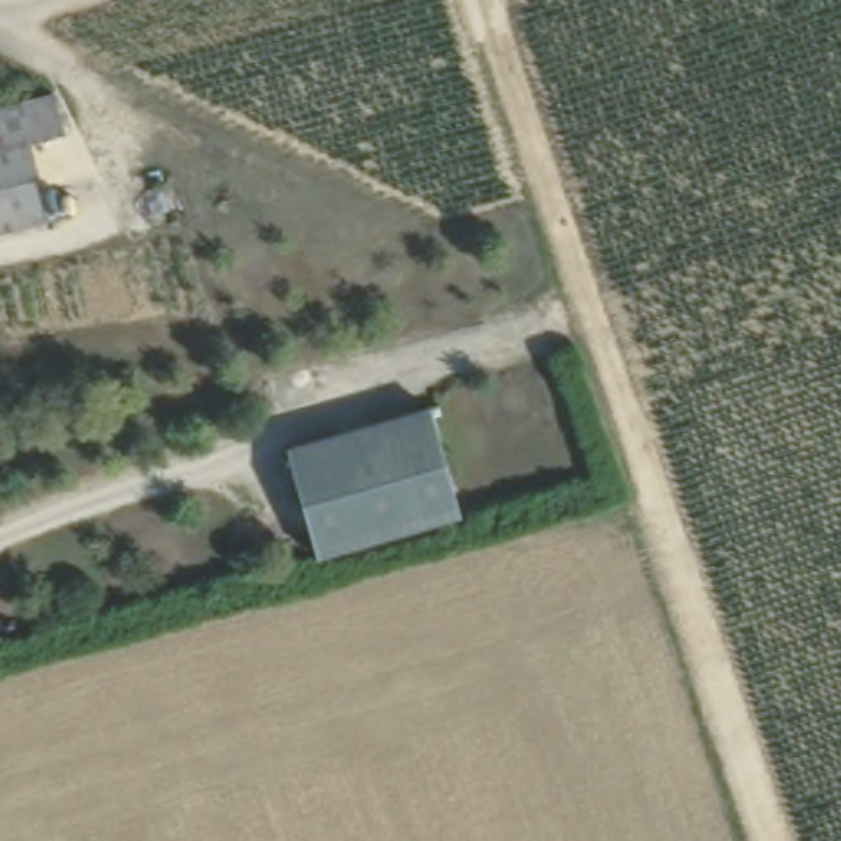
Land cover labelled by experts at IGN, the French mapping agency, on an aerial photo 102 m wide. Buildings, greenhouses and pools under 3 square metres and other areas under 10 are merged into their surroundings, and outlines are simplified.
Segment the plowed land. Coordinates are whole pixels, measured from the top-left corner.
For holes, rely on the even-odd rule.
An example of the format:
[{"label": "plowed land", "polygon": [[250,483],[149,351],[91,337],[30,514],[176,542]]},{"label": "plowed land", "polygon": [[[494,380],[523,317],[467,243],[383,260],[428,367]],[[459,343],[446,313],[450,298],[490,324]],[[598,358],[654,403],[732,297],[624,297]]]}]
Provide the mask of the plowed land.
[{"label": "plowed land", "polygon": [[562,526],[529,532],[499,545],[394,568],[388,575],[375,575],[319,598],[214,618],[184,631],[168,631],[138,644],[56,660],[0,680],[0,841],[733,841],[690,723],[687,700],[677,683],[667,641],[647,598],[634,549],[627,535],[618,532],[604,516],[568,519]]}]

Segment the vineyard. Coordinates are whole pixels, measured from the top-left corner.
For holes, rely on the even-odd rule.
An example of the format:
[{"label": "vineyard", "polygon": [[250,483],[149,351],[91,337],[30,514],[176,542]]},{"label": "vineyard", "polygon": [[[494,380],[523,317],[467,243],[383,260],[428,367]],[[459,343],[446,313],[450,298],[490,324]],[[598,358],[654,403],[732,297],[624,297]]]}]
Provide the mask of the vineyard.
[{"label": "vineyard", "polygon": [[723,637],[733,650],[733,664],[746,687],[746,703],[756,716],[779,798],[798,841],[841,841],[841,0],[506,0],[509,23],[516,36],[532,49],[535,69],[542,76],[545,108],[539,115],[545,138],[549,145],[562,145],[565,161],[581,187],[585,210],[575,217],[575,223],[585,253],[595,273],[608,276],[611,289],[621,292],[621,306],[634,322],[634,342],[647,348],[644,388],[650,401],[650,417],[660,430],[683,522],[690,529],[690,539],[696,542],[710,595],[719,608]]},{"label": "vineyard", "polygon": [[506,194],[509,187],[496,171],[476,92],[463,76],[457,36],[443,0],[102,0],[95,7],[72,10],[72,36],[82,46],[99,46],[118,59],[135,62],[151,76],[171,76],[184,89],[217,105],[230,105],[250,115],[253,122],[263,122],[342,161],[352,161],[365,174],[391,187],[421,194],[440,210],[440,217],[473,214],[473,204],[486,204]]}]

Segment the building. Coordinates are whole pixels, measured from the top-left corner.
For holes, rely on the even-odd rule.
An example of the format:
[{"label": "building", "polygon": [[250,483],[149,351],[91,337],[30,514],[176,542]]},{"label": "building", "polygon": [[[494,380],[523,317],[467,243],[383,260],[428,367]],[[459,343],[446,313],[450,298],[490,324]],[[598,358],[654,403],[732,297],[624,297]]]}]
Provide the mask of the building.
[{"label": "building", "polygon": [[457,480],[440,457],[430,411],[338,434],[319,443],[306,443],[289,450],[289,470],[315,562],[332,562],[358,549],[450,526],[460,516]]},{"label": "building", "polygon": [[43,181],[33,161],[33,148],[62,138],[62,118],[56,99],[49,95],[13,108],[0,108],[0,237],[56,227],[62,220],[62,210],[43,214],[36,187]]}]

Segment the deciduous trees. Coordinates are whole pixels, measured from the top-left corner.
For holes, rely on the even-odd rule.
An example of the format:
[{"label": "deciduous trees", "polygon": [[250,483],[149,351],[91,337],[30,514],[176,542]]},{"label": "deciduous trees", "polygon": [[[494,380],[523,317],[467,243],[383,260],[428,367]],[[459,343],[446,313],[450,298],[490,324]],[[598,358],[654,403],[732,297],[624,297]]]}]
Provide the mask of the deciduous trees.
[{"label": "deciduous trees", "polygon": [[26,568],[26,558],[13,549],[0,552],[0,641],[23,641],[36,631],[85,621],[102,611],[105,588],[92,585],[82,568],[56,562],[49,568]]},{"label": "deciduous trees", "polygon": [[161,581],[161,575],[151,568],[151,558],[158,552],[131,545],[115,572],[115,588],[148,591]]},{"label": "deciduous trees", "polygon": [[223,381],[223,368],[240,352],[256,355],[263,365],[273,365],[276,352],[296,335],[309,342],[309,348],[322,361],[325,355],[332,348],[335,332],[345,332],[348,325],[365,325],[375,315],[375,306],[384,299],[378,286],[345,283],[319,302],[306,302],[289,319],[263,319],[246,312],[227,315],[214,325],[197,319],[174,322],[164,348],[141,352],[145,371],[135,375],[128,388],[122,388],[118,381],[99,381],[89,388],[82,404],[56,398],[36,401],[30,394],[26,407],[0,414],[0,519],[16,506],[46,499],[49,493],[76,489],[85,476],[95,476],[95,470],[105,470],[108,480],[115,480],[128,466],[164,466],[174,453],[204,457],[223,437],[250,443],[266,430],[273,414],[266,394],[237,391],[237,407],[220,427],[207,424],[200,430],[164,434],[158,434],[148,404],[151,398],[164,394],[191,394],[194,384],[204,378]]},{"label": "deciduous trees", "polygon": [[256,585],[279,585],[299,562],[286,552],[269,552],[266,562],[246,575]]},{"label": "deciduous trees", "polygon": [[187,489],[184,506],[168,519],[181,526],[181,532],[207,529],[207,509],[191,489]]},{"label": "deciduous trees", "polygon": [[480,256],[489,273],[503,273],[512,263],[512,240],[503,237]]}]

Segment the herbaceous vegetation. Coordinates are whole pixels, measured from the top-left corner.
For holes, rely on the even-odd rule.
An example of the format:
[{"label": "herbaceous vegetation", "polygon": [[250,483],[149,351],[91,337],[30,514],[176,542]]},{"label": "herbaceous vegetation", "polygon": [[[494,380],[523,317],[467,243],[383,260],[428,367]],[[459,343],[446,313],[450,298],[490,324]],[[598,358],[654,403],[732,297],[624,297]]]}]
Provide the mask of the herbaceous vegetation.
[{"label": "herbaceous vegetation", "polygon": [[[151,483],[138,503],[49,529],[13,549],[26,558],[26,568],[49,568],[56,562],[82,568],[92,585],[105,588],[102,611],[112,614],[138,601],[161,601],[184,588],[197,588],[200,595],[207,595],[214,581],[227,575],[246,575],[266,562],[269,552],[286,552],[299,562],[315,562],[289,470],[289,450],[306,443],[319,443],[338,434],[430,411],[440,457],[457,480],[460,516],[473,519],[486,506],[591,480],[591,463],[581,447],[555,365],[532,365],[532,358],[526,355],[522,361],[486,368],[480,388],[457,388],[447,391],[440,401],[434,401],[427,391],[411,394],[401,384],[378,384],[325,404],[273,414],[266,430],[250,443],[256,470],[250,480],[230,480],[217,489],[191,489],[207,509],[207,529],[181,532],[181,526],[168,519],[184,506],[187,489],[168,480]],[[115,572],[131,545],[158,552],[151,558],[151,568],[161,575],[161,581],[148,591],[115,588]]]},{"label": "herbaceous vegetation", "polygon": [[220,427],[237,407],[237,391],[266,394],[273,365],[263,365],[256,355],[240,352],[223,368],[223,381],[204,378],[194,384],[191,394],[164,394],[151,398],[148,404],[158,434],[164,434],[200,430],[207,424]]},{"label": "herbaceous vegetation", "polygon": [[322,361],[309,348],[309,342],[296,335],[276,352],[273,365],[302,371],[312,361]]},{"label": "herbaceous vegetation", "polygon": [[36,187],[43,214],[62,210],[66,187],[43,181]]},{"label": "herbaceous vegetation", "polygon": [[654,549],[641,522],[637,496],[627,506],[604,516],[618,532],[627,535],[634,549],[647,598],[667,641],[677,683],[687,700],[690,723],[733,841],[749,841],[733,785],[726,779],[716,736],[703,713],[683,634],[677,627],[673,608],[660,581],[660,568],[654,562]]},{"label": "herbaceous vegetation", "polygon": [[[348,325],[345,332],[335,332],[332,348],[325,355],[391,352],[398,345],[424,342],[434,335],[480,329],[509,312],[529,312],[539,299],[545,299],[552,286],[562,283],[562,273],[539,204],[535,197],[512,200],[506,194],[486,204],[473,204],[473,214],[440,217],[440,210],[421,194],[391,187],[365,174],[352,161],[342,161],[263,122],[253,122],[250,115],[230,105],[217,105],[184,89],[171,76],[151,76],[135,62],[118,59],[99,46],[82,46],[72,36],[72,10],[49,16],[43,30],[53,39],[66,43],[92,76],[99,76],[105,85],[115,85],[125,105],[131,105],[141,115],[151,115],[151,141],[141,154],[141,187],[135,194],[135,204],[148,230],[115,233],[82,250],[0,266],[0,414],[26,407],[30,394],[36,401],[56,398],[82,404],[89,388],[99,381],[118,381],[122,388],[128,388],[135,375],[145,371],[141,352],[164,348],[174,322],[197,319],[214,325],[227,315],[246,312],[263,319],[289,319],[306,302],[319,302],[345,283],[378,286],[384,299],[375,306],[375,315],[365,325]],[[480,256],[503,237],[512,240],[512,263],[503,273],[489,273]]]}]

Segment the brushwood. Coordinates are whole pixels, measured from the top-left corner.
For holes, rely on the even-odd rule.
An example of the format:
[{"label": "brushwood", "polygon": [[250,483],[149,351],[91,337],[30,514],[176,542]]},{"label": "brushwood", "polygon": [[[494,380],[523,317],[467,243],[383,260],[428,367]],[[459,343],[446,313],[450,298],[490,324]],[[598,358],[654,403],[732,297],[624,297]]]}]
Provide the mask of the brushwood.
[{"label": "brushwood", "polygon": [[53,85],[46,76],[0,56],[0,108],[13,108],[49,95]]},{"label": "brushwood", "polygon": [[102,611],[85,621],[36,631],[23,641],[0,641],[0,680],[56,660],[138,644],[168,631],[184,631],[214,618],[319,598],[375,575],[388,575],[394,568],[499,545],[529,532],[562,526],[568,519],[604,516],[627,506],[637,496],[588,345],[572,342],[568,352],[555,358],[555,365],[581,447],[591,463],[591,480],[486,506],[473,519],[460,516],[450,526],[358,549],[332,562],[315,562],[299,562],[279,585],[256,585],[246,575],[227,575],[214,581],[207,595],[200,595],[197,588],[184,588],[161,601],[138,601],[112,614]]}]

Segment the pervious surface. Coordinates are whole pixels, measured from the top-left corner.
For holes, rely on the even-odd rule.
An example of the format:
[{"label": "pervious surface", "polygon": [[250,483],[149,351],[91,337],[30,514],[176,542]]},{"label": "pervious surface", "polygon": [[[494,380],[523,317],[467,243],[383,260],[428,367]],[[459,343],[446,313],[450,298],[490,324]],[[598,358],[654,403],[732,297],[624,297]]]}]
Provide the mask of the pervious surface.
[{"label": "pervious surface", "polygon": [[650,401],[644,388],[647,348],[634,342],[634,322],[621,306],[621,292],[611,289],[608,276],[595,273],[585,253],[575,223],[575,217],[585,210],[581,187],[565,161],[562,145],[549,145],[545,138],[539,115],[545,108],[542,76],[535,69],[532,49],[516,36],[509,23],[506,0],[443,0],[457,36],[463,76],[476,92],[496,171],[509,187],[506,194],[512,200],[535,197],[539,204],[562,273],[562,283],[552,286],[545,299],[539,299],[529,312],[509,312],[480,329],[434,335],[424,342],[398,345],[391,352],[325,355],[322,361],[312,361],[302,371],[273,365],[266,394],[273,414],[325,404],[378,384],[401,384],[411,394],[427,391],[434,401],[440,401],[447,391],[457,388],[480,388],[486,368],[522,361],[526,355],[532,358],[532,365],[555,365],[555,358],[568,352],[572,342],[588,345],[637,496],[641,522],[654,549],[654,562],[660,568],[660,581],[673,608],[677,627],[683,634],[703,713],[716,736],[726,779],[733,785],[749,841],[798,841],[779,798],[756,716],[746,703],[746,687],[733,664],[733,650],[723,637],[719,608],[710,595],[696,542],[690,539],[690,529],[683,522],[660,430],[650,417]]},{"label": "pervious surface", "polygon": [[85,476],[76,489],[49,493],[46,499],[16,506],[0,519],[0,552],[13,549],[49,529],[138,503],[151,483],[168,480],[187,489],[191,489],[217,489],[230,480],[250,480],[256,470],[250,443],[223,437],[204,457],[174,453],[164,466],[128,466],[115,480],[108,480],[105,470],[95,470],[95,476]]},{"label": "pervious surface", "polygon": [[72,10],[95,7],[102,0],[0,0],[0,56],[46,76],[53,85],[49,95],[56,99],[62,118],[62,138],[33,148],[33,161],[43,181],[66,187],[62,210],[62,220],[56,227],[0,237],[0,266],[82,250],[115,233],[148,230],[135,204],[135,194],[141,187],[141,154],[151,141],[151,115],[141,115],[131,105],[125,105],[115,85],[105,85],[99,76],[92,76],[66,43],[53,39],[43,30],[49,16]]}]

